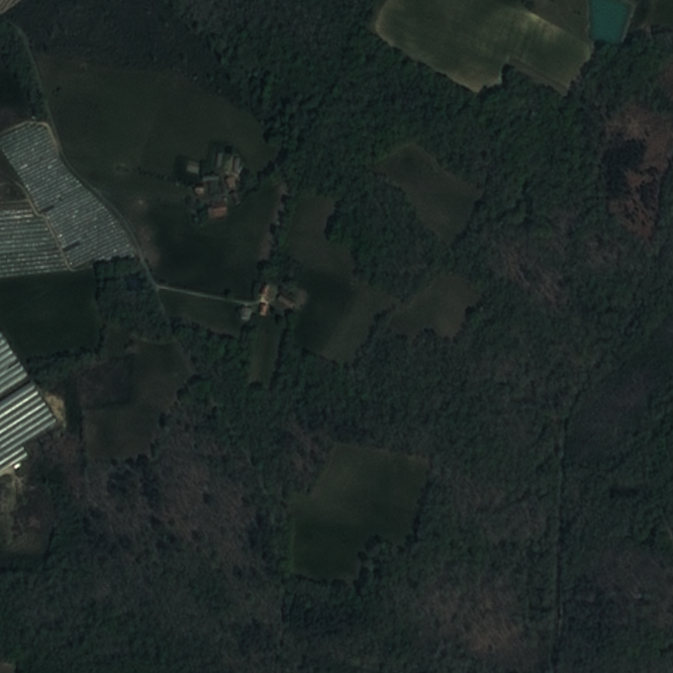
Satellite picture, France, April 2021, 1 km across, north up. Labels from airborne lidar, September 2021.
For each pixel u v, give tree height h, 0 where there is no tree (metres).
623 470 25
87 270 0
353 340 0
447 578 18
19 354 0
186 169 0
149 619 21
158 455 16
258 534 19
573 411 17
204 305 0
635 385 13
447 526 26
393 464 0
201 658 15
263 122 7
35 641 19
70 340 0
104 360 16
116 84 0
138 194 0
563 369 21
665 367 13
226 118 0
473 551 23
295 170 25
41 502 0
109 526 16
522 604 18
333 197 17
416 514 0
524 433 17
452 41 0
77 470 8
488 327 16
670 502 25
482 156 14
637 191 7
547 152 20
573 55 0
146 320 14
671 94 9
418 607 18
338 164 22
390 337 19
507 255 17
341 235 23
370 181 23
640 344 21
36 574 12
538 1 0
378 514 0
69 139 0
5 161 0
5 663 14
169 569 17
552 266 20
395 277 14
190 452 19
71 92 0
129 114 0
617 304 32
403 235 23
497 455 29
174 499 15
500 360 21
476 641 16
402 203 21
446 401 20
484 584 14
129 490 23
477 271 21
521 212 25
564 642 9
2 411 0
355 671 10
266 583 19
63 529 9
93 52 8
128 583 20
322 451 20
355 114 24
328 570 0
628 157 14
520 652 14
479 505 17
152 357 0
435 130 26
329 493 0
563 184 21
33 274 0
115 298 19
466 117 23
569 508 22
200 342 24
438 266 21
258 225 0
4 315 0
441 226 0
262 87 11
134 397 0
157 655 15
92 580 18
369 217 22
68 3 8
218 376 17
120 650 16
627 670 20
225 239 0
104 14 6
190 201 11
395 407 22
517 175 26
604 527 23
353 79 18
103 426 0
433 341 18
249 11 16
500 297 25
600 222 22
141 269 15
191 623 18
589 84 20
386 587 23
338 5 15
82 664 20
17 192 0
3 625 25
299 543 0
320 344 0
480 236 13
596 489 27
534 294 18
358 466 0
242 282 0
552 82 0
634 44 22
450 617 13
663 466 24
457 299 0
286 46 16
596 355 26
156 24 6
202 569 16
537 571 23
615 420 15
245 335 13
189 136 0
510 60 0
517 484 25
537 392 19
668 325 17
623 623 20
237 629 17
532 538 14
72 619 19
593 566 20
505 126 25
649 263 22
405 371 26
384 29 0
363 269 21
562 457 24
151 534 17
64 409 0
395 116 21
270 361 0
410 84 24
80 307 0
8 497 0
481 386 15
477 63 0
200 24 19
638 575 14
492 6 0
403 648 17
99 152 0
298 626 20
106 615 18
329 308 0
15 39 17
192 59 5
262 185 9
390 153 26
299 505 0
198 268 0
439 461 21
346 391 25
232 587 15
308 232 0
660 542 20
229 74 10
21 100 0
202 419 16
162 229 0
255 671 18
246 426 20
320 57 17
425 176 0
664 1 0
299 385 23
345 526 0
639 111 10
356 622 28
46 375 16
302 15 16
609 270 21
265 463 18
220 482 18
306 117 16
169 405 0
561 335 26
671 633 20
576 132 25
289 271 8
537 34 0
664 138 7
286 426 16
